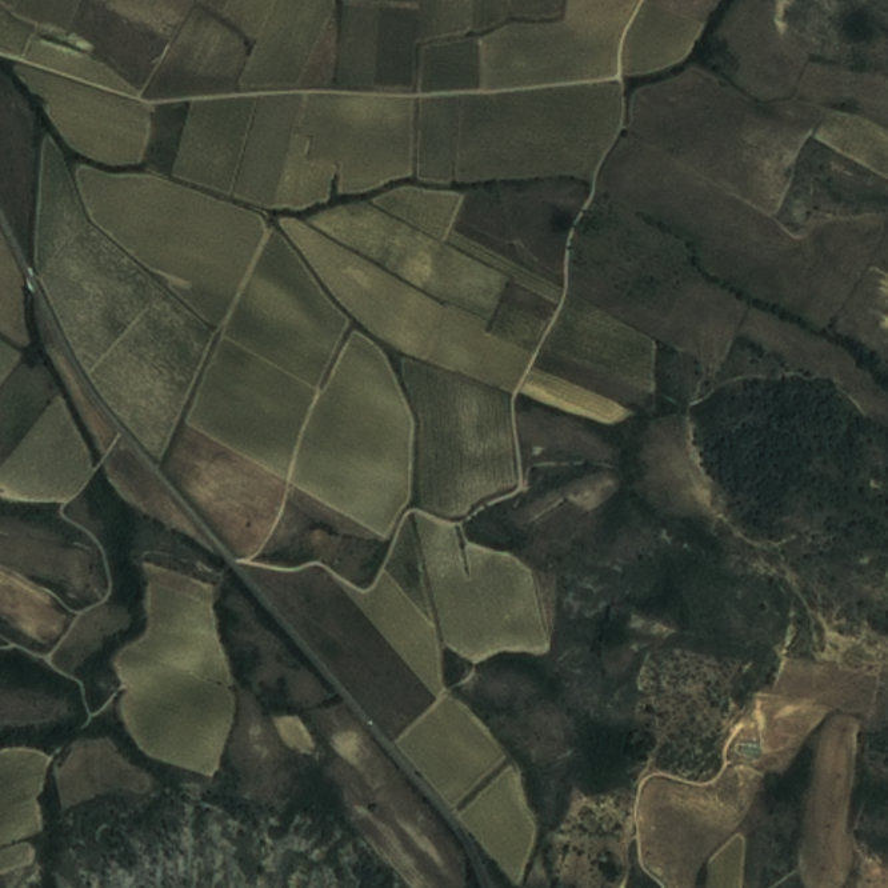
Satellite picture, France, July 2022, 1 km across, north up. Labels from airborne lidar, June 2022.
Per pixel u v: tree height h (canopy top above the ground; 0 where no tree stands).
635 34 0
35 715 0
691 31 0
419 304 0
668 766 0
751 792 0
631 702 0
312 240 0
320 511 0
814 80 0
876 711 0
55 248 0
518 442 0
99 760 0
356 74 0
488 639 0
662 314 0
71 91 0
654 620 0
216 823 0
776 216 0
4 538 0
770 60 0
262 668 0
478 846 8
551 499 0
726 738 0
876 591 0
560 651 0
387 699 0
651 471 0
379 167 0
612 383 0
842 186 0
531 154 0
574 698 0
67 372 0
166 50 0
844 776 0
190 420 0
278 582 0
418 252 0
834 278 0
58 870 0
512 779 0
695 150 0
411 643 0
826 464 6
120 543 6
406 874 0
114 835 9
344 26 0
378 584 0
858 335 0
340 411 0
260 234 0
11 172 0
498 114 0
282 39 0
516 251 0
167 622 0
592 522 0
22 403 0
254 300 0
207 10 0
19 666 6
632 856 0
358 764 0
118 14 0
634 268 0
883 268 0
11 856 0
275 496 0
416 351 0
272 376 0
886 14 0
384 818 0
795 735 0
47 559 0
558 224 0
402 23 0
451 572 0
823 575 0
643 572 0
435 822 0
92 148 0
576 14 0
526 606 0
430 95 0
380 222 0
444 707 0
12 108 0
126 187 0
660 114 0
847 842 0
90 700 7
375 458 0
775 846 0
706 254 0
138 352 0
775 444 12
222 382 0
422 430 0
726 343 0
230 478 0
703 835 0
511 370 0
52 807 6
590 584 0
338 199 9
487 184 11
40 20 0
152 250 0
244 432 0
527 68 0
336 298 0
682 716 0
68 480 0
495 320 0
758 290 0
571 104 0
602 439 0
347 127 0
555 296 0
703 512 0
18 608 0
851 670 0
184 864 0
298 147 0
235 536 0
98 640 0
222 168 0
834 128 0
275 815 6
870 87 0
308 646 0
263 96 0
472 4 0
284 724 0
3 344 0
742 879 0
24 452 0
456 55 0
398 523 0
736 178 0
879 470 9
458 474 0
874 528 6
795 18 0
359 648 0
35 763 0
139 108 0
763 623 0
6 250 0
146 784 0
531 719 0
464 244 0
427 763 0
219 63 0
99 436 0
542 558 0
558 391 0
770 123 0
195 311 0
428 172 0
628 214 0
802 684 0
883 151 0
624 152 0
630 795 0
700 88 0
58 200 0
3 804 0
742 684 0
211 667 0
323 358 0
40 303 0
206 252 0
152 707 0
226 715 0
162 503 0
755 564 0
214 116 0
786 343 0
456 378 0
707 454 8
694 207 0
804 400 12
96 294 0
